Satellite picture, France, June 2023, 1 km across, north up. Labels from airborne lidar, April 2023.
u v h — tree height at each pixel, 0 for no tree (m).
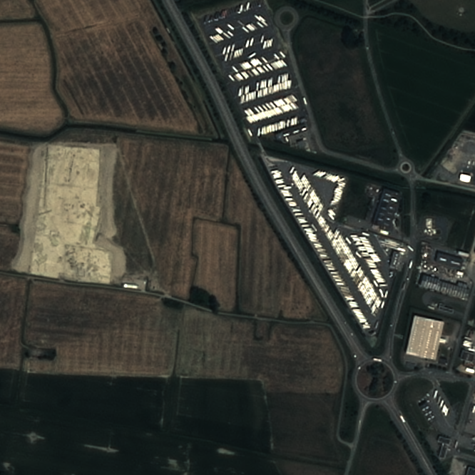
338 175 0
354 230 0
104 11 0
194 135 0
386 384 7
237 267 0
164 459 0
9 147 0
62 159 0
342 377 0
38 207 0
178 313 0
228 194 0
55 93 0
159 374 0
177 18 0
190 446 0
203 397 0
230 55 0
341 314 0
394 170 0
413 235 0
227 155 0
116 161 0
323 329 0
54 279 0
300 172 0
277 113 0
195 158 0
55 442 0
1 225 0
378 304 0
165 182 0
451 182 0
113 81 0
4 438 0
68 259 0
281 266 0
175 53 0
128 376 0
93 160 0
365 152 0
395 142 0
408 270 0
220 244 0
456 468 0
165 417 0
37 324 0
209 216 0
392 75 0
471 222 0
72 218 0
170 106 0
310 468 0
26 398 0
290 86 0
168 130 0
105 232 0
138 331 0
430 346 0
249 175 0
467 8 0
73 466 0
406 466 0
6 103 0
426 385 0
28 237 0
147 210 0
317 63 0
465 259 0
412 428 0
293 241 0
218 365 0
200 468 0
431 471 0
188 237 0
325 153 0
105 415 0
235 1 0
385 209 0
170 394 0
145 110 0
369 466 0
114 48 0
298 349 0
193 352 0
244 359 0
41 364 0
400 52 0
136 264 0
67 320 0
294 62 0
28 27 0
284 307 0
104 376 0
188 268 0
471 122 0
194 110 0
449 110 0
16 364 0
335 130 0
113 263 0
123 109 0
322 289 0
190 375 0
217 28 0
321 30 0
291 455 0
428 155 0
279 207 0
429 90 0
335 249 0
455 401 0
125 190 0
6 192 0
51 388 0
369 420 0
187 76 0
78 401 0
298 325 0
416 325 0
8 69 0
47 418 0
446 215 0
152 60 0
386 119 0
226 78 0
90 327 0
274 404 0
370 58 0
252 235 0
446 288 0
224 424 0
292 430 0
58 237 0
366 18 0
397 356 0
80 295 0
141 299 0
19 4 0
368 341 0
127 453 0
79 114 0
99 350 0
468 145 0
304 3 10
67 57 0
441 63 0
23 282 0
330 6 0
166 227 0
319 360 0
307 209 0
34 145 0
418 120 0
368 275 0
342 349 0
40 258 0
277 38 0
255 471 0
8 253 0
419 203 0
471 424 0
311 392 0
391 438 0
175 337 0
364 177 0
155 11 0
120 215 0
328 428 0
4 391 0
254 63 0
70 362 0
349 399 0
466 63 0
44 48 0
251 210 0
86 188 0
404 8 0
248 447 0
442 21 0
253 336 0
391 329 0
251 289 0
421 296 0
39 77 0
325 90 0
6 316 0
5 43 0
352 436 0
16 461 0
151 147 0
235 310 0
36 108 0
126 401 0
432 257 0
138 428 0
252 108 0
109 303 0
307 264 0
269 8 0
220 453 0
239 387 0
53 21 0
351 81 0
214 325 0
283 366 0
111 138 0
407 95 0
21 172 0
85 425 0
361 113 0
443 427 0
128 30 0
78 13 0
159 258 0
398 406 0
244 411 0
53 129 0
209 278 0
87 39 0
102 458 0
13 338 0
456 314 0
